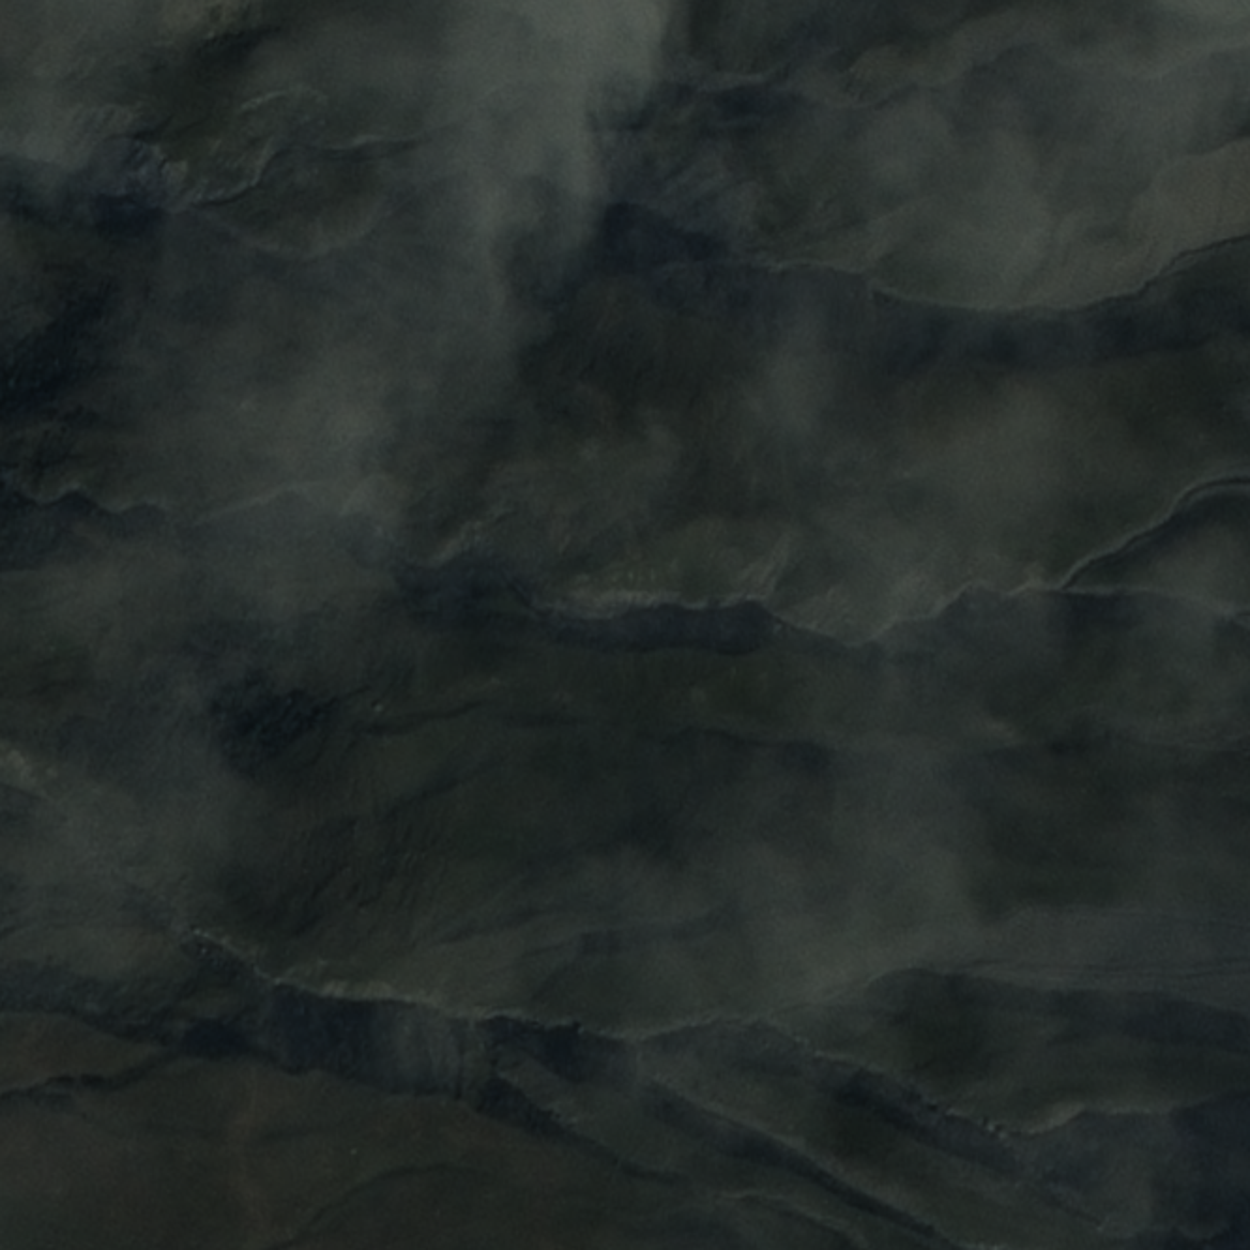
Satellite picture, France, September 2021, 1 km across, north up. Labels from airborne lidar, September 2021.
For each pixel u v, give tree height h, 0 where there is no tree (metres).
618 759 0
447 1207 0
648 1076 0
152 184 0
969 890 0
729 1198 0
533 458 0
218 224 0
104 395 0
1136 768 0
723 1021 0
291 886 0
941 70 0
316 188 0
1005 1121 0
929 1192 0
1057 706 0
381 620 0
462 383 0
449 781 0
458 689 0
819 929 0
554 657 0
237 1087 0
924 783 0
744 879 0
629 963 0
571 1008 0
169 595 0
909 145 0
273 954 0
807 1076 0
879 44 0
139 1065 0
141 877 0
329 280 0
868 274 0
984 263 0
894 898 0
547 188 0
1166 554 0
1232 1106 0
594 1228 0
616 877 0
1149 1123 0
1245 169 0
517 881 0
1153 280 0
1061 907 0
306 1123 0
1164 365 0
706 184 0
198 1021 0
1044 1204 0
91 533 0
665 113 0
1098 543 0
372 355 0
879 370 0
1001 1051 0
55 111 0
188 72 0
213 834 0
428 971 0
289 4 0
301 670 0
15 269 0
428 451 0
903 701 0
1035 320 0
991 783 0
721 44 0
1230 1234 0
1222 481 0
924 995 0
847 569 0
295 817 0
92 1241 0
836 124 0
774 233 0
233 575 0
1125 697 0
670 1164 0
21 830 0
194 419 0
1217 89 0
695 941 0
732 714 0
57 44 0
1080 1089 0
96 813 0
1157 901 0
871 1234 0
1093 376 0
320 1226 0
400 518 0
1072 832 0
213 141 0
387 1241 0
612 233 0
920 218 0
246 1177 0
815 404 0
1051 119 0
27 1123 0
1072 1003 0
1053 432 0
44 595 0
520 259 0
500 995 0
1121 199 0
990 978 0
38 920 0
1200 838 0
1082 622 0
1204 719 0
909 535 0
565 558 0
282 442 0
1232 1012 0
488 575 0
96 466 0
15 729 0
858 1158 0
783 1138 0
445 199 0
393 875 0
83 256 0
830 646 0
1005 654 0
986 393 0
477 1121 0
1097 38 0
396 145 0
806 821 0
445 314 0
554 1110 0
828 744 0
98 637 0
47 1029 0
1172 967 0
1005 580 0
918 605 0
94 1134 0
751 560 0
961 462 0
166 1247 0
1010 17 0
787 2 0
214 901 0
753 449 0
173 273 0
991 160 0
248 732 9
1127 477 0
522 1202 0
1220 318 0
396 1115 0
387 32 0
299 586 0
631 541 0
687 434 0
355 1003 0
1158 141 0
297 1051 0
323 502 0
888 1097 0
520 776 0
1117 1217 0
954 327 0
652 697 0
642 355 0
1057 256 0
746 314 0
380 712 0
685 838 0
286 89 0
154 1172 0
